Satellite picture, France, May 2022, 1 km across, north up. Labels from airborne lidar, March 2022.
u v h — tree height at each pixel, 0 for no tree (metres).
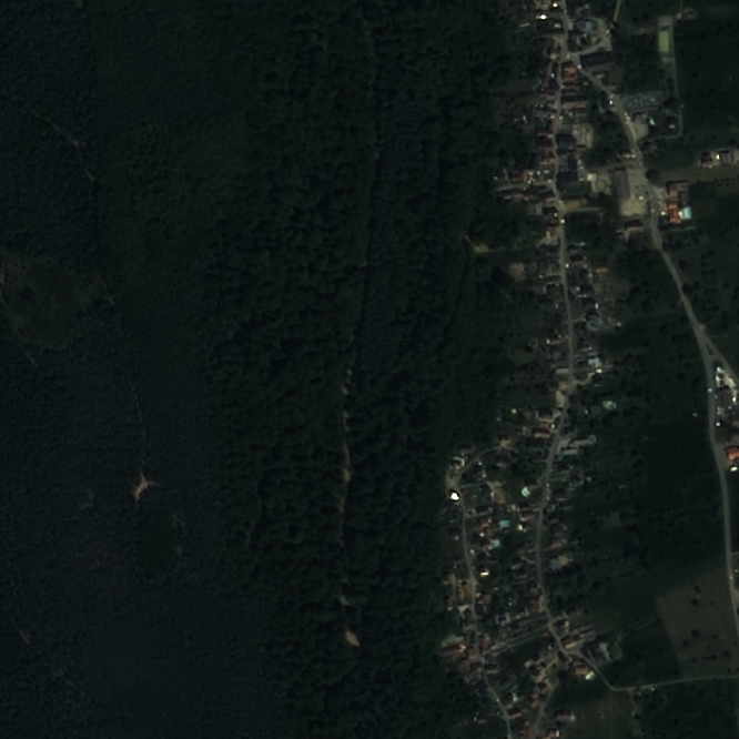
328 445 17
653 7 0
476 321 25
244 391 27
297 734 21
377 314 27
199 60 16
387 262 29
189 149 21
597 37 0
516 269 0
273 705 11
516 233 25
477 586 0
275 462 34
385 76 29
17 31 18
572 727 0
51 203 16
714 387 0
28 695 7
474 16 21
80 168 16
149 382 14
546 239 0
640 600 0
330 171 34
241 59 18
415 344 32
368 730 42
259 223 29
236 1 19
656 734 6
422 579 25
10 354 18
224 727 9
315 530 27
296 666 32
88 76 20
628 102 0
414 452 33
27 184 19
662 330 8
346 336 26
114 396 19
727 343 0
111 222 19
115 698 8
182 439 9
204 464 12
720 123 0
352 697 19
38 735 13
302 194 37
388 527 32
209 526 10
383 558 28
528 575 0
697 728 0
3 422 21
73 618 20
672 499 0
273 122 29
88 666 10
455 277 19
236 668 12
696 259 0
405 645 27
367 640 31
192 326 11
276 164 41
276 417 34
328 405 20
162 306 15
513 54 0
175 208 17
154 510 14
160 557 13
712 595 0
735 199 0
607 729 0
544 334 0
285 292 39
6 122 20
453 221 8
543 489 0
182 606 15
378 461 33
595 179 0
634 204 0
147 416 14
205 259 15
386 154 26
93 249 14
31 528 11
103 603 16
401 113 27
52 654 14
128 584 16
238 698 9
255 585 19
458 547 0
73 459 14
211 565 15
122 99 16
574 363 0
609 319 0
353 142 32
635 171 0
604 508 0
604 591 8
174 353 16
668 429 0
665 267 0
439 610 0
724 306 0
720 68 0
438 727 19
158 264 11
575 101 0
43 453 16
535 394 0
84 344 18
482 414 11
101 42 12
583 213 0
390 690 31
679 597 0
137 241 14
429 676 28
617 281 0
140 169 15
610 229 0
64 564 17
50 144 18
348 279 30
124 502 17
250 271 30
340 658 34
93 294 0
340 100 22
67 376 13
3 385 21
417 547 31
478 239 24
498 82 14
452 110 30
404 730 34
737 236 0
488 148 23
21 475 17
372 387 28
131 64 14
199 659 11
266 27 20
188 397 13
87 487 18
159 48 17
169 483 11
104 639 10
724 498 0
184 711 13
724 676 0
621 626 0
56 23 17
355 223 25
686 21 0
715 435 0
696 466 0
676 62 0
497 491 0
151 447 11
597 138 0
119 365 15
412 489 31
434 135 32
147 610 13
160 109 18
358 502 36
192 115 18
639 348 0
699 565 0
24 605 15
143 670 11
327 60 16
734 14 0
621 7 0
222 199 22
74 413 15
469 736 0
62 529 14
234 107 15
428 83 24
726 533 0
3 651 24
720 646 0
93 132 16
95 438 18
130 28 17
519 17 0
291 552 29
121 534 16
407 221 23
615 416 9
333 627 24
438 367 32
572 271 0
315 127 33
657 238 0
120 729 16
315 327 33
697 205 0
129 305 16
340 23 34
